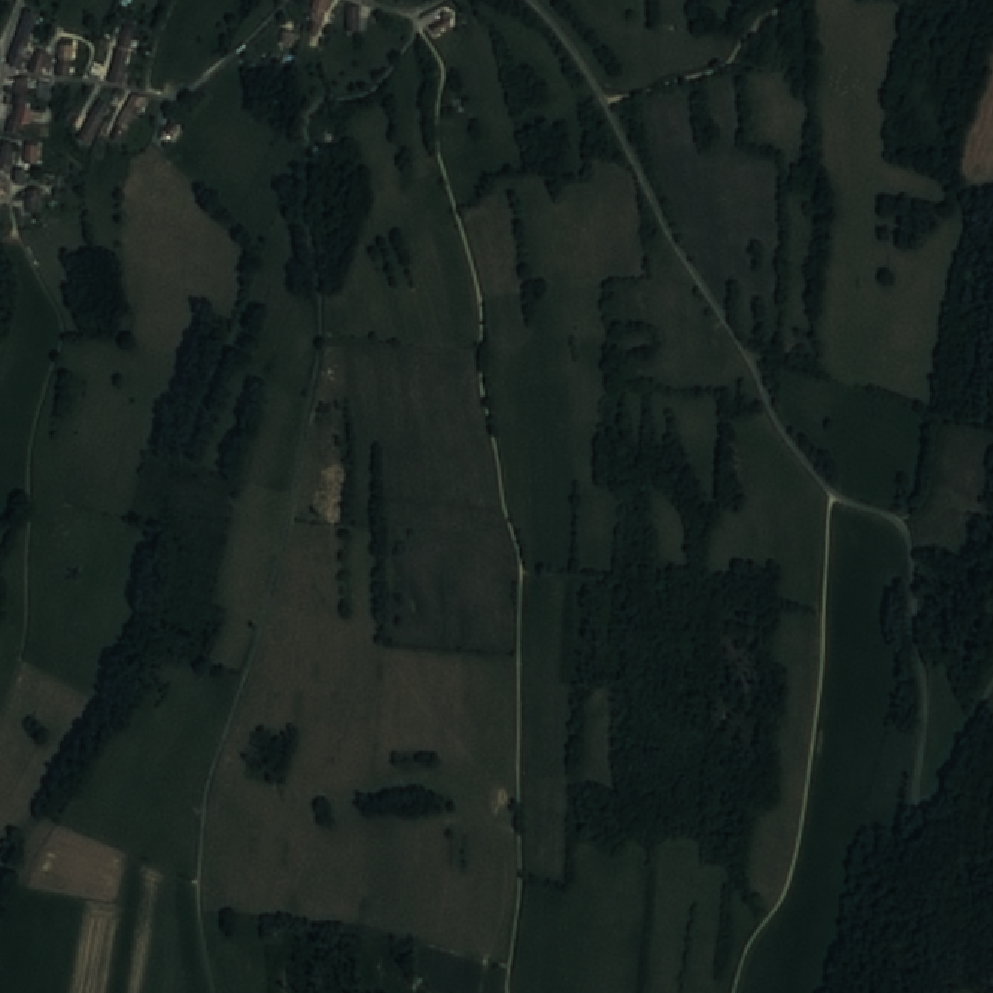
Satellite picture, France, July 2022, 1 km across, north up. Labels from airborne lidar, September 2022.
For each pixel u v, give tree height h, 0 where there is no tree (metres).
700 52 0
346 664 0
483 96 0
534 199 0
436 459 0
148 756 0
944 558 16
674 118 0
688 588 14
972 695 14
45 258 0
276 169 0
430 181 0
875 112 0
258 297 0
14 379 0
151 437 0
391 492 0
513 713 0
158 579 20
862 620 0
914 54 11
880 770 0
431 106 15
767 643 12
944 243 0
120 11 6
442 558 0
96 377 0
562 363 0
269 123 26
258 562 0
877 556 0
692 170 0
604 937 0
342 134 7
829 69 0
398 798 21
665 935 0
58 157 0
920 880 22
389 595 11
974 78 15
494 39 10
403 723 0
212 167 0
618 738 8
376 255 13
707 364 0
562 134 15
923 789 0
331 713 0
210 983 0
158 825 0
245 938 0
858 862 14
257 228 0
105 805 0
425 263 0
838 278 0
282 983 0
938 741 0
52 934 0
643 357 13
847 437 0
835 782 0
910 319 0
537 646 0
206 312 28
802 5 15
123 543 0
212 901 0
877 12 0
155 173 0
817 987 0
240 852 0
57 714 0
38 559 0
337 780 0
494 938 0
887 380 0
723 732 16
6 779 0
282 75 7
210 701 0
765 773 20
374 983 0
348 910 0
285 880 0
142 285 0
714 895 0
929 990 15
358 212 18
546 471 0
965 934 16
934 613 18
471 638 0
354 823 0
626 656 17
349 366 0
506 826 0
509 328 0
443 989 0
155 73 0
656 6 17
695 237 0
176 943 0
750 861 7
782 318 7
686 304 0
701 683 18
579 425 0
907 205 13
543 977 0
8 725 0
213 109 0
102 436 0
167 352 0
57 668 0
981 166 0
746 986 0
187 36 0
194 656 7
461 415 0
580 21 12
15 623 0
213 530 0
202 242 0
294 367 0
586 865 0
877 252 0
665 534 0
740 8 18
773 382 16
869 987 11
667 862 0
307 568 0
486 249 0
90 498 0
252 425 22
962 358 12
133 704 22
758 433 0
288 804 0
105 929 0
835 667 0
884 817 0
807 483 0
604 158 15
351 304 0
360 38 9
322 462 0
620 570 10
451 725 0
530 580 0
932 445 22
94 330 19
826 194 19
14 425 0
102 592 0
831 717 0
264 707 0
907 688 16
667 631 10
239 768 0
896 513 13
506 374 0
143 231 0
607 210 0
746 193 0
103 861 0
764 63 9
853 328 0
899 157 13
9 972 0
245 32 0
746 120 16
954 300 15
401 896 0
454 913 0
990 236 20
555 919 0
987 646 15
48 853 0
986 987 20
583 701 13
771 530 0
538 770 0
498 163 0
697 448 0
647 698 9
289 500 0
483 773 0
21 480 0
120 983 0
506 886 0
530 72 15
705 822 14
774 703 15
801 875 0
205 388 20
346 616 14
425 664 0
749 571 9
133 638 19
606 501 0
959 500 0
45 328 0
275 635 0
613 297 9
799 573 0
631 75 0
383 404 0
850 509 0
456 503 0
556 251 0
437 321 0
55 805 10
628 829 11
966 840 20
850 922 13
